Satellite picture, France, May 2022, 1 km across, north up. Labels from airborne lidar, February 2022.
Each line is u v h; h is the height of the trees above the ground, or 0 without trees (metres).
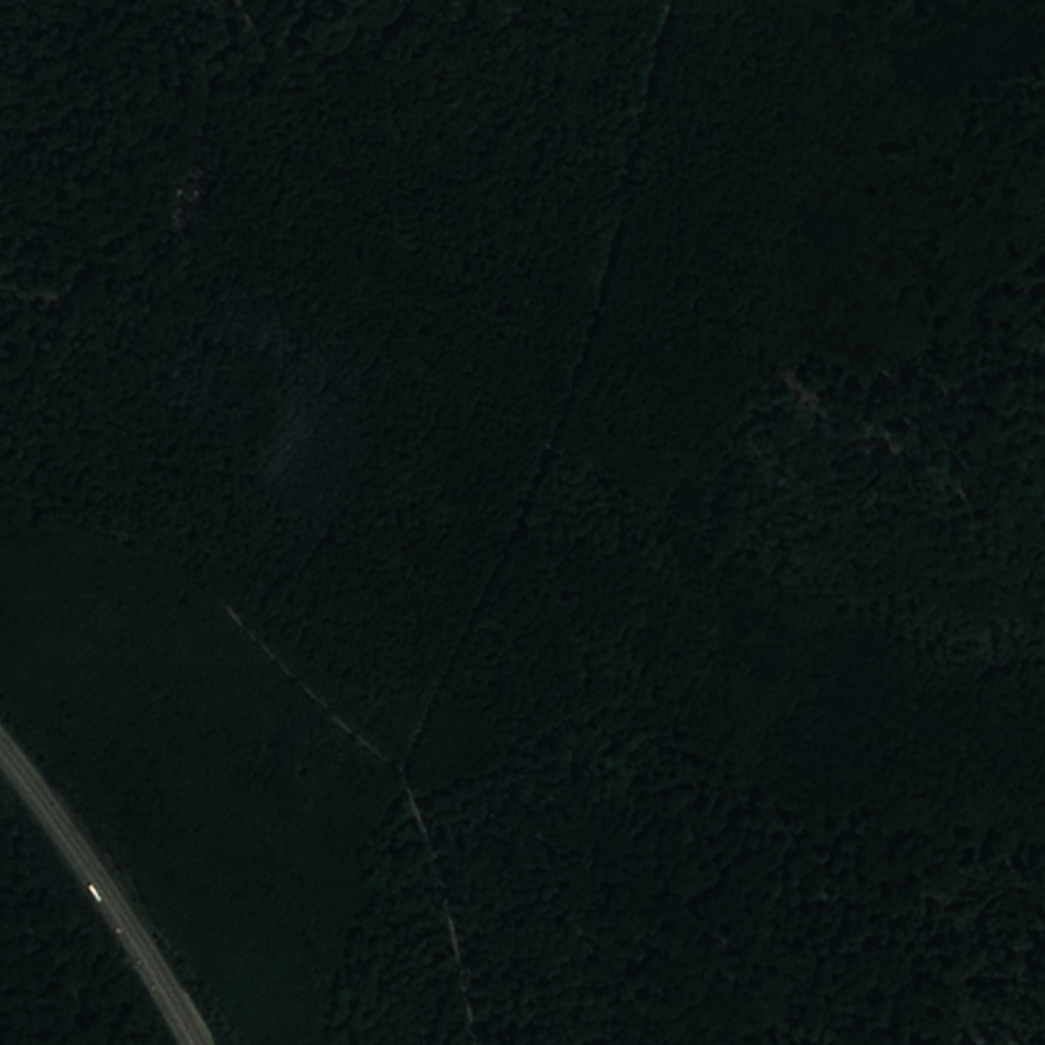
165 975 0
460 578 25
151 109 26
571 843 28
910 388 35
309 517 16
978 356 17
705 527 6
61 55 24
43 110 27
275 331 21
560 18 24
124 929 0
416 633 21
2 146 23
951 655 28
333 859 15
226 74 29
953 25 16
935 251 30
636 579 30
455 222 26
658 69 24
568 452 19
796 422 29
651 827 30
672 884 31
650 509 20
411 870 27
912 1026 32
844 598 26
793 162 21
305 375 17
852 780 19
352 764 13
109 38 27
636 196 24
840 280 20
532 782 26
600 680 27
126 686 15
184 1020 0
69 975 29
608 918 31
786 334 15
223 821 17
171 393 26
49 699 13
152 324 25
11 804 14
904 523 27
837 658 18
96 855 0
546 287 24
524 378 22
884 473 30
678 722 21
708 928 31
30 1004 27
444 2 27
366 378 18
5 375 19
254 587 9
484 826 26
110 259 24
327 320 19
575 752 28
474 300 22
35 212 24
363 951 22
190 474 21
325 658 19
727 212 22
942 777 14
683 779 18
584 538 24
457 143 24
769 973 30
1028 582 27
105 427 25
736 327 20
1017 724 18
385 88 27
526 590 28
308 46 33
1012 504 30
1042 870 35
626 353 22
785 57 20
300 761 8
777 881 26
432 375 21
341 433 17
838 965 32
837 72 20
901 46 13
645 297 23
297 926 16
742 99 24
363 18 29
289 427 17
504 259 25
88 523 19
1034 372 35
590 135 28
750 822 32
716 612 17
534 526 26
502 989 27
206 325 20
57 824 0
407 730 9
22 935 28
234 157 22
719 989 35
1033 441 29
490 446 21
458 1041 25
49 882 17
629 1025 28
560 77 26
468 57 27
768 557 26
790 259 21
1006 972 24
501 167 26
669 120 24
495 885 23
